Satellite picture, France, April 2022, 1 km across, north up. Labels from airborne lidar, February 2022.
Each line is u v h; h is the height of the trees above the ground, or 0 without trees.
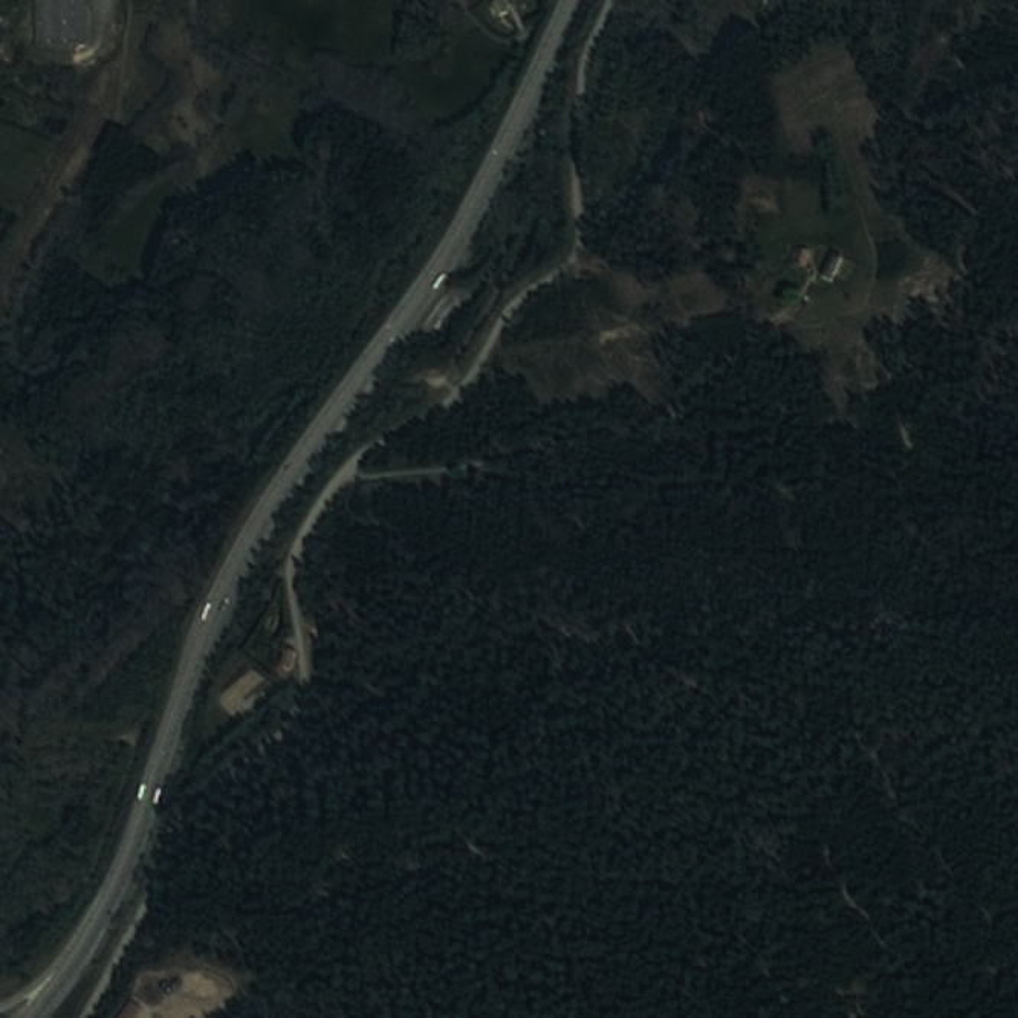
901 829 21
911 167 33
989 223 26
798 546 19
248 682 0
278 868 19
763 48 28
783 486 25
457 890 19
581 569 17
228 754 15
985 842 18
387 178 17
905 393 14
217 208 31
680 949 27
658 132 8
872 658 28
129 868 0
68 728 10
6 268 17
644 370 0
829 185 18
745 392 20
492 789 7
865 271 0
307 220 20
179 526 13
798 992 10
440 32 20
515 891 29
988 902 20
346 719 26
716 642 16
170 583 27
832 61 0
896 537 21
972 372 14
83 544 15
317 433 0
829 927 8
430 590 26
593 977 31
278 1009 24
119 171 19
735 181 29
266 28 0
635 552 18
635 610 16
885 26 28
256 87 15
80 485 23
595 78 10
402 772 34
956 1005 21
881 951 13
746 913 28
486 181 0
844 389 0
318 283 14
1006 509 10
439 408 0
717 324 12
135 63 0
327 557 18
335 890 29
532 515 24
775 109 38
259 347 15
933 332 8
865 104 0
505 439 21
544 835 26
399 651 26
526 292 0
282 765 26
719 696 10
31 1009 0
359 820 24
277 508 0
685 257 20
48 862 17
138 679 12
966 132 29
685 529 20
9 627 31
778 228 0
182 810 20
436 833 25
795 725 15
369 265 14
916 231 27
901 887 18
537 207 20
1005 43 11
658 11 13
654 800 20
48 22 0
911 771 21
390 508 16
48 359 19
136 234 0
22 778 21
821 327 0
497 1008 33
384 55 0
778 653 18
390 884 10
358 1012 21
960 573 16
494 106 8
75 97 19
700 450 10
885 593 18
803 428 25
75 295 24
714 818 29
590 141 18
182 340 28
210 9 14
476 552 15
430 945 26
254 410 10
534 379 0
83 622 9
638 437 18
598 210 7
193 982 0
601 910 22
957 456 16
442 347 7
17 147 0
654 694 28
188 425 21
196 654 0
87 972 0
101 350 32
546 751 30
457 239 0
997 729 19
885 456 24
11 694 28
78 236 17
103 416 17
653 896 12
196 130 0
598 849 29
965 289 9
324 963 26
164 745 0
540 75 0
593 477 17
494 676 23
